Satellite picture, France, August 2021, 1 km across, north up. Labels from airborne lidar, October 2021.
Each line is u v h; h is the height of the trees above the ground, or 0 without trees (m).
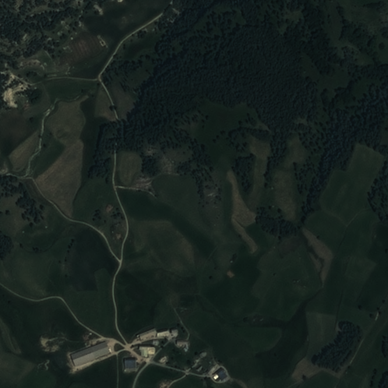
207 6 19
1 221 0
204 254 0
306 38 23
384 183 21
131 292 0
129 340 0
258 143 0
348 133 13
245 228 0
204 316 0
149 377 0
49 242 0
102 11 0
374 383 13
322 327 0
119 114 0
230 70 18
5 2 11
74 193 0
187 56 18
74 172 0
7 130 0
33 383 0
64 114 0
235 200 0
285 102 21
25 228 0
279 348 0
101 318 0
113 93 0
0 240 22
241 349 0
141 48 0
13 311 0
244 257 0
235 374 0
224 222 0
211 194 0
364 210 0
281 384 0
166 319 0
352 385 0
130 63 25
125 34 0
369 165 0
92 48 0
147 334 0
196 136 0
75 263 0
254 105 17
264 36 22
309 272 0
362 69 11
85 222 0
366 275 0
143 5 0
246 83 20
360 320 0
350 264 0
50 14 13
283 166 0
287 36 24
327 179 18
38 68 0
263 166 0
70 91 0
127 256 0
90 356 0
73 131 0
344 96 13
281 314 0
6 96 0
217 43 14
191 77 24
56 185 0
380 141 27
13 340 0
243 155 0
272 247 0
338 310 0
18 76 7
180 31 19
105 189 0
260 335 0
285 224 24
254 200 0
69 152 0
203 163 24
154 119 12
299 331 0
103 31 0
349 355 17
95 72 0
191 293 0
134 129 19
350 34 19
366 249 0
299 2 11
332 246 0
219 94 23
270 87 29
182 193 0
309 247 0
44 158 0
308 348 0
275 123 22
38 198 0
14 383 0
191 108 11
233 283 0
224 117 0
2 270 0
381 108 15
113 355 0
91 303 0
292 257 0
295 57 20
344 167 20
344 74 0
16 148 0
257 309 0
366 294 0
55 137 0
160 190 0
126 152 0
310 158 16
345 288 0
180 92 6
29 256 0
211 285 0
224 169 0
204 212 0
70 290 0
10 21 9
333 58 14
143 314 0
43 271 0
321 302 0
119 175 0
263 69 20
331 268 0
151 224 0
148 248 0
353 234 0
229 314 0
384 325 0
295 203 0
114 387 0
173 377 0
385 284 0
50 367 0
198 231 0
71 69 0
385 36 13
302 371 0
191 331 0
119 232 0
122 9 0
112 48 0
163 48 20
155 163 14
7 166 0
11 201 0
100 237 0
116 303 0
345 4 0
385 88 18
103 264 0
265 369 0
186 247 0
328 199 0
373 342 0
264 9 0
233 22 20
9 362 0
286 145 23
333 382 0
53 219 0
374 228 0
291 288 0
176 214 0
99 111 0
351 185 0
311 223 0
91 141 0
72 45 0
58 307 0
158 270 0
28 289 0
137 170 0
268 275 0
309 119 13
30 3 8
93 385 0
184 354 0
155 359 0
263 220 19
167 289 0
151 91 27
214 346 0
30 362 0
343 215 0
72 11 17
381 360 0
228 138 9
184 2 21
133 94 0
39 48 8
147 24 0
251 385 0
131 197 0
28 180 0
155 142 11
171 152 0
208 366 0
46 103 0
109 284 0
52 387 0
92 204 0
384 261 0
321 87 0
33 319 0
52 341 0
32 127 0
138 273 0
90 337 0
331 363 26
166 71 18
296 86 21
